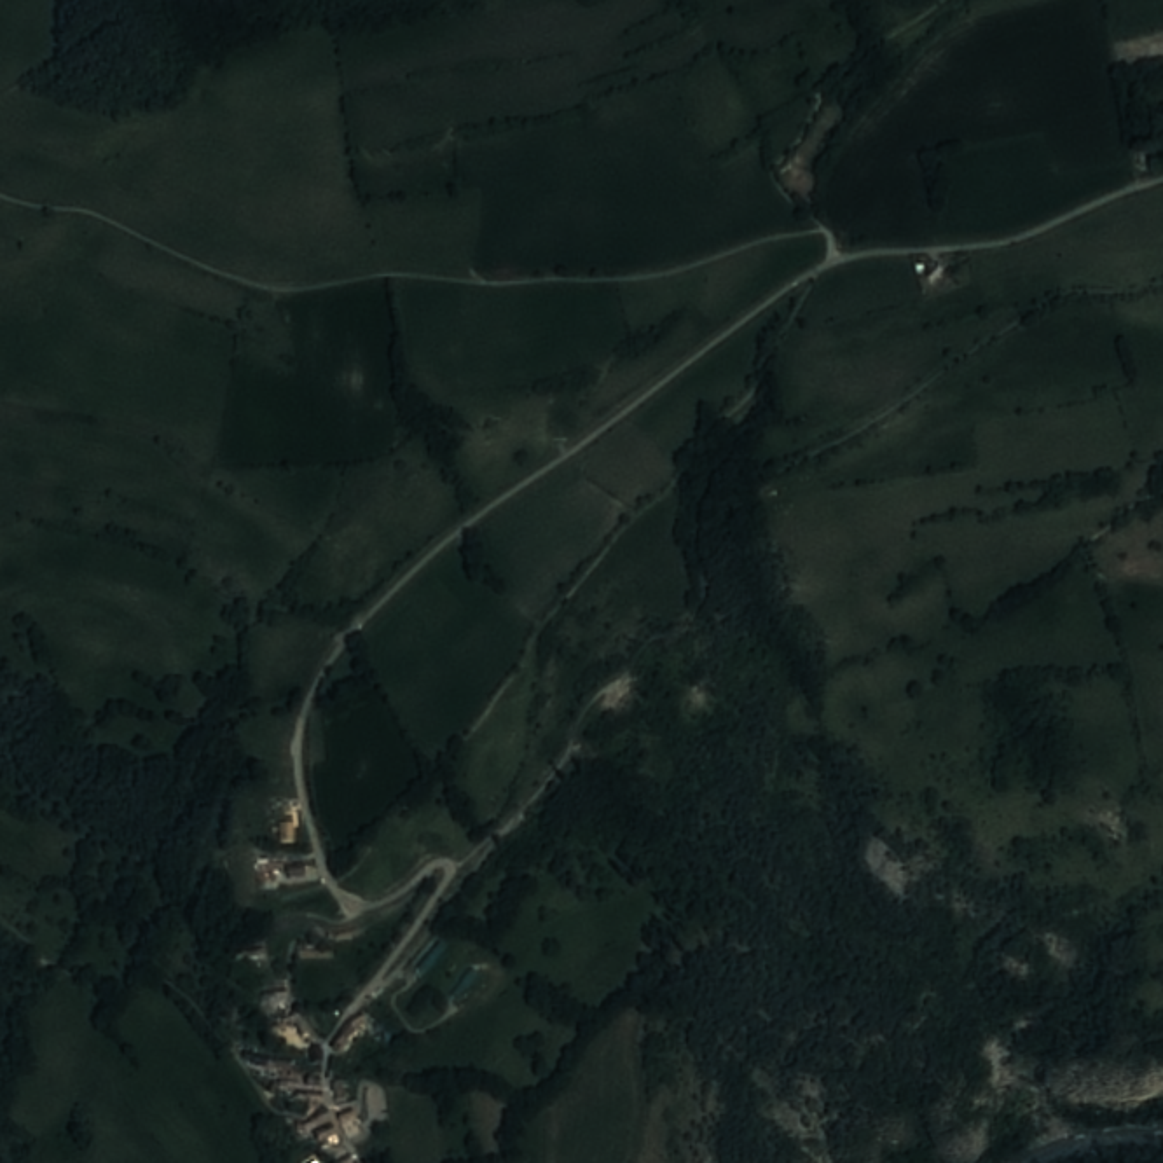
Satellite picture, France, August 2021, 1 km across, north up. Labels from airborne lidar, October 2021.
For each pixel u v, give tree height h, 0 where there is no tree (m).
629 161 0
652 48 6
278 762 0
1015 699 11
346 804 0
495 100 0
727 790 12
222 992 10
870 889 11
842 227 0
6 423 0
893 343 0
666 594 0
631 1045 0
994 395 0
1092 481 11
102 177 0
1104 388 7
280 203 0
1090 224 0
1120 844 6
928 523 10
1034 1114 10
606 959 0
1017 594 13
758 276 0
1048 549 0
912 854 9
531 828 6
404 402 16
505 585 14
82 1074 0
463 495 14
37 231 0
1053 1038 8
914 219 0
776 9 0
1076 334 0
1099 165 0
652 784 7
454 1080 16
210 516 0
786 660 6
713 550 18
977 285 0
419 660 0
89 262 0
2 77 0
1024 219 0
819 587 0
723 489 24
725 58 8
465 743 13
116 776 14
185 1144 0
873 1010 12
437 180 0
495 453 0
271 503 0
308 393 0
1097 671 9
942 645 0
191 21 21
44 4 0
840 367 0
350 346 0
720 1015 12
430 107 0
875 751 0
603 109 0
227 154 0
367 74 0
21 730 13
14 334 0
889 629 0
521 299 0
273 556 0
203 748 16
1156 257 0
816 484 0
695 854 16
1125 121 8
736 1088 11
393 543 0
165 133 0
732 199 0
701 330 0
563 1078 19
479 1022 0
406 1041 12
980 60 0
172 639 0
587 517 0
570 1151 0
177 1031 0
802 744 8
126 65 10
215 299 0
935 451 0
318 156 0
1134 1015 8
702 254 0
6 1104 14
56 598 0
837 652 0
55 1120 0
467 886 11
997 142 0
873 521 0
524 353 0
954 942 10
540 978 14
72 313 0
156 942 20
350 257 0
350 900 0
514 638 0
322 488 0
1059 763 8
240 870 0
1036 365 0
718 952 9
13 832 0
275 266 0
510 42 0
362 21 16
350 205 0
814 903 6
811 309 0
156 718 11
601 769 14
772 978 8
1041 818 0
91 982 13
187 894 15
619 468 0
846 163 0
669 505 0
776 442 0
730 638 7
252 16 22
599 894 13
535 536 0
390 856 0
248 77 0
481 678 0
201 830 16
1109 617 9
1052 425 0
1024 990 8
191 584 9
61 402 0
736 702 6
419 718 0
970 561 0
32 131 0
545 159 0
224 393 0
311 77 0
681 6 12
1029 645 0
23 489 0
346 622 8
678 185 0
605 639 0
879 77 14
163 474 0
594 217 0
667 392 0
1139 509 7
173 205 0
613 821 14
